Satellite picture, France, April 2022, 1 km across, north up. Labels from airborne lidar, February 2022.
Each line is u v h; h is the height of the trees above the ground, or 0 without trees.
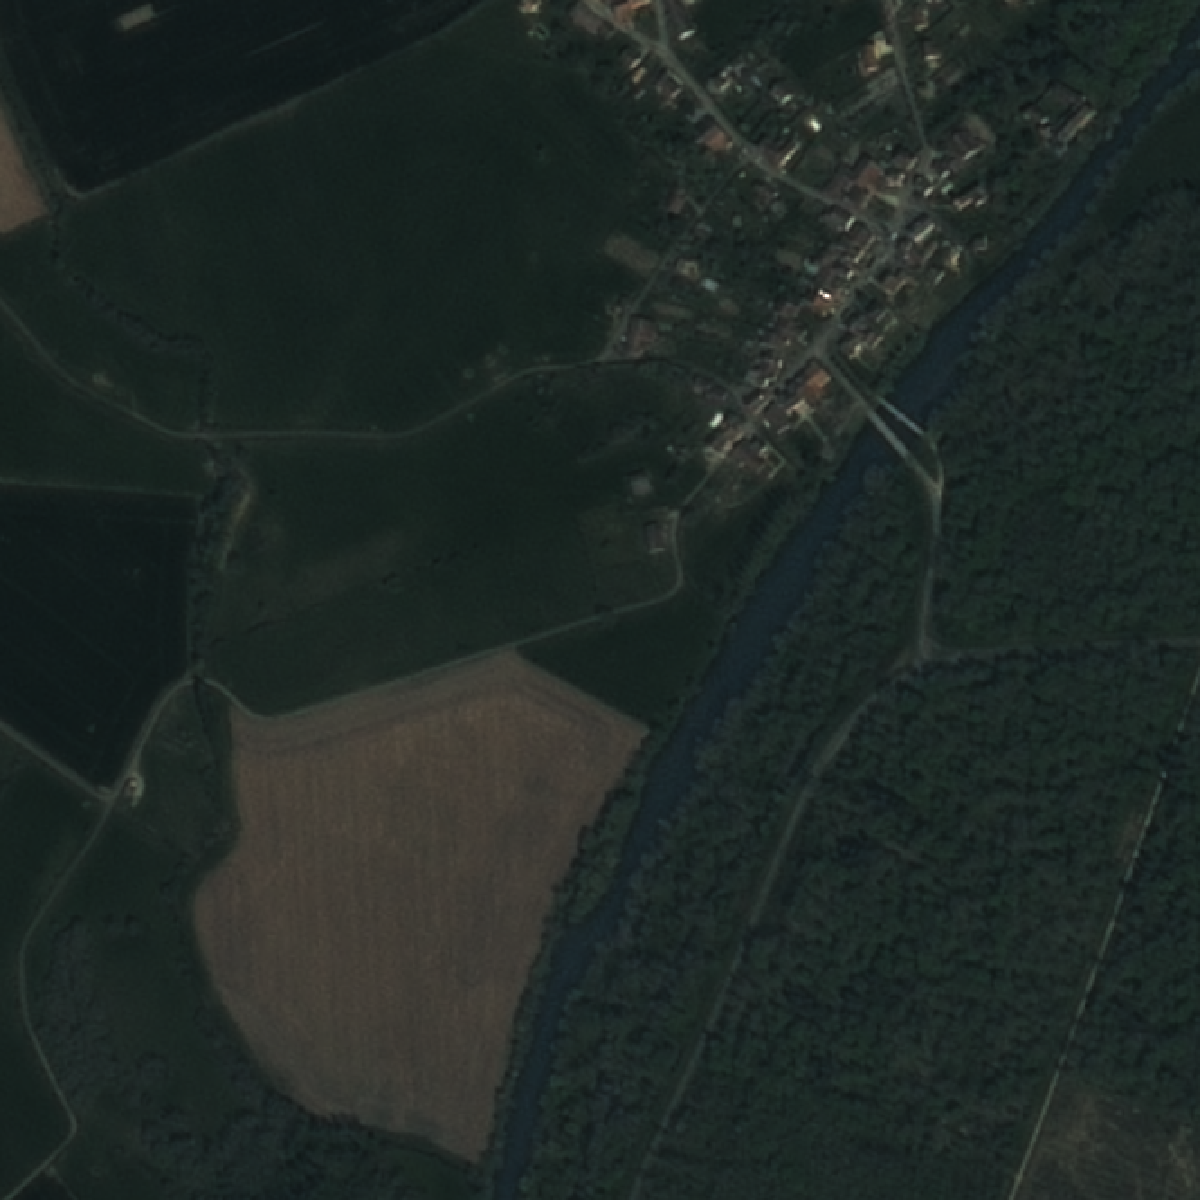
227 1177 17
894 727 24
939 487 0
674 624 0
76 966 16
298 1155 24
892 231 0
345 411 0
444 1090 0
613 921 0
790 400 0
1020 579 24
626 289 0
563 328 0
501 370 0
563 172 0
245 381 0
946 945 28
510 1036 0
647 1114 17
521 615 0
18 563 0
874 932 24
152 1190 0
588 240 0
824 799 22
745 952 0
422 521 0
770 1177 17
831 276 0
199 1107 0
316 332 0
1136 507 20
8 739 0
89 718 0
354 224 0
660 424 6
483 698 0
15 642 0
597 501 0
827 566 16
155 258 0
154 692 0
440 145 0
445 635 0
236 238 0
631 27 0
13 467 0
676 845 28
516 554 0
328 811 0
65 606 0
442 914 0
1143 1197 0
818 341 0
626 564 0
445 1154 0
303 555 0
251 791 0
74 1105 9
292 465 0
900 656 0
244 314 0
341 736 0
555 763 0
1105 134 16
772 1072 18
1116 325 21
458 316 0
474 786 0
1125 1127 0
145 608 0
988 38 0
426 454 0
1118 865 9
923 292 0
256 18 0
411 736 0
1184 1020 25
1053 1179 0
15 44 0
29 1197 0
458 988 0
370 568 0
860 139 0
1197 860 19
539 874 0
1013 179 13
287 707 0
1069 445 25
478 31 0
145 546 0
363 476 0
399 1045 0
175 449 0
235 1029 0
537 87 0
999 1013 14
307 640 0
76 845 0
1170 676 25
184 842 0
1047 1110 0
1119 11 17
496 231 0
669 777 0
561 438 0
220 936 0
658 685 0
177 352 12
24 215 0
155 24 0
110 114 0
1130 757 15
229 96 0
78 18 0
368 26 0
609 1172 23
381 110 0
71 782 0
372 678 0
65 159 0
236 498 19
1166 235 26
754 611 0
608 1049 18
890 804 28
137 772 0
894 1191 15
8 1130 0
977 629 20
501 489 0
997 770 28
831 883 23
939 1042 30
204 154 0
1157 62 18
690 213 0
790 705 16
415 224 0
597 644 0
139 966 0
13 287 0
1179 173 0
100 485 0
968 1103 21
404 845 0
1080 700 26
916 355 9
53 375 0
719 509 0
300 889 0
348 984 0
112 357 0
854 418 0
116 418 0
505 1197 0
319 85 0
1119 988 22
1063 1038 26
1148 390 12
